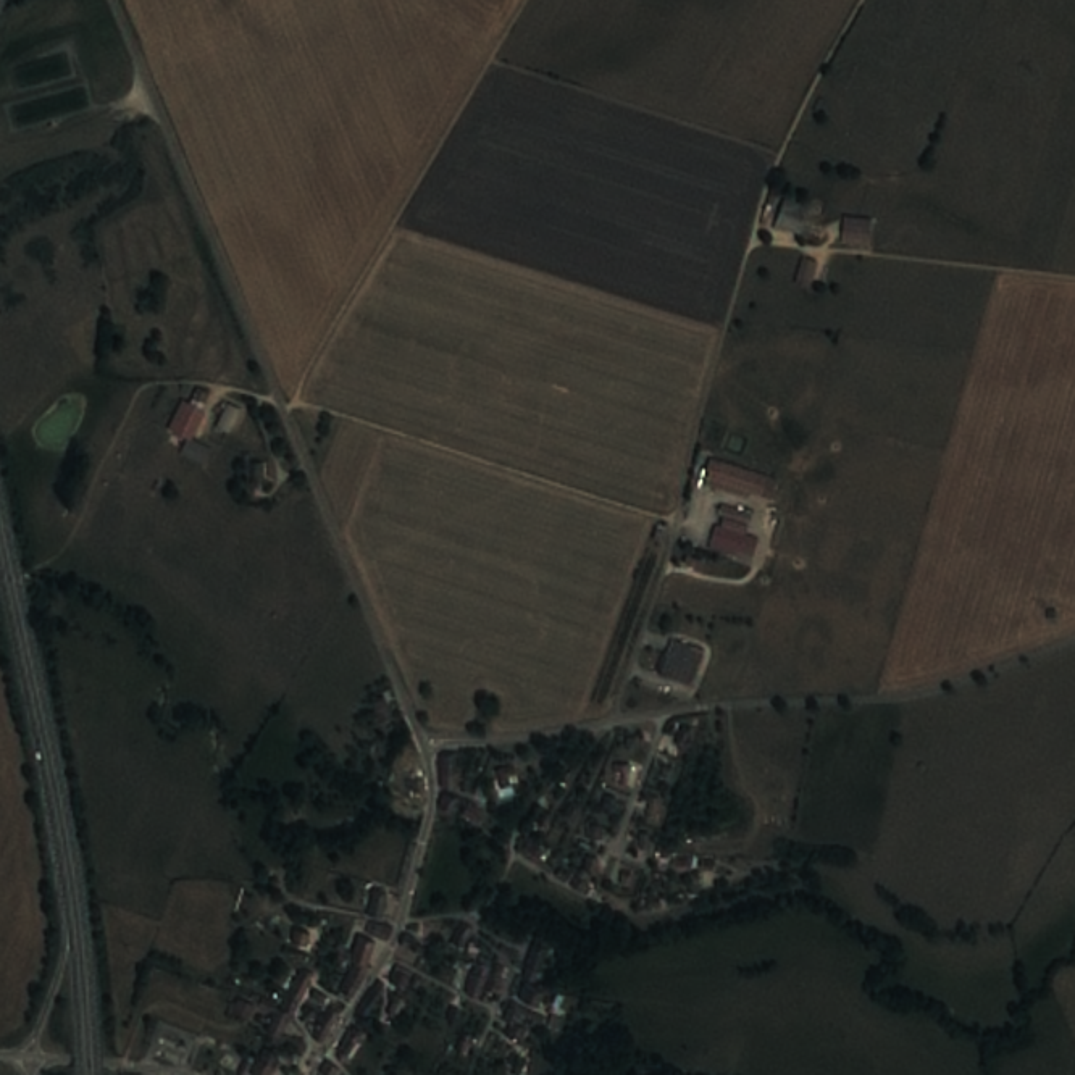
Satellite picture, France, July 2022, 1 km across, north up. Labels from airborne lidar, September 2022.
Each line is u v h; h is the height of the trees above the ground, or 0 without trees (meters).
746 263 0
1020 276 0
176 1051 0
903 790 0
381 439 0
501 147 0
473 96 0
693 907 11
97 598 18
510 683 0
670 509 0
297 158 0
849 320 0
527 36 0
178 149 0
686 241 0
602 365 0
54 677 13
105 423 0
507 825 18
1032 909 0
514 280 0
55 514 0
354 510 0
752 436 0
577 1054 30
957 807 0
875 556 0
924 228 0
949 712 0
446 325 0
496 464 0
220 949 0
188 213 0
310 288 0
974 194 0
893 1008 17
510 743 0
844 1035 0
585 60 0
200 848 0
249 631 0
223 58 0
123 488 0
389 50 0
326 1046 0
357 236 0
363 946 0
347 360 0
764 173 0
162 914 0
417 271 0
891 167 0
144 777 0
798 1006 0
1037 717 0
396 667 0
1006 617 0
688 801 11
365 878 0
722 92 0
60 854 0
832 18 0
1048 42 0
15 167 0
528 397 0
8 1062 0
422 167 0
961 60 0
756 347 0
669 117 0
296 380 0
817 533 0
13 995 0
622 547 0
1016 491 0
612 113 0
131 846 0
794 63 0
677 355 0
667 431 0
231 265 0
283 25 0
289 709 0
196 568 0
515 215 0
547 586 0
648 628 0
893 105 0
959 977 0
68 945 0
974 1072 0
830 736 0
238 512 0
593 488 0
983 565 0
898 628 0
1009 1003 0
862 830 0
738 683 0
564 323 0
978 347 0
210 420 0
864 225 0
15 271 0
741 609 0
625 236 0
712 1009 0
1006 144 0
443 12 0
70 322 0
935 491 0
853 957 0
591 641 0
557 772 19
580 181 0
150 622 19
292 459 8
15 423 0
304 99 0
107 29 0
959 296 0
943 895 0
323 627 0
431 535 0
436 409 0
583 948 22
